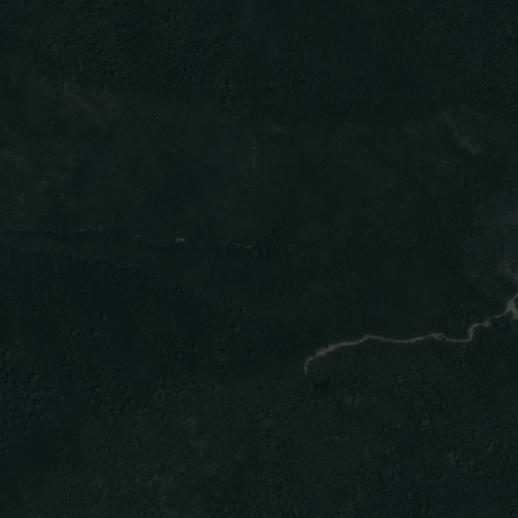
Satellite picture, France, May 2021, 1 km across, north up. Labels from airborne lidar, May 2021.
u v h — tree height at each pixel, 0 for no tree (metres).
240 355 6
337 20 6
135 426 9
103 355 5
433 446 9
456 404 10
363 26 5
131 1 7
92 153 5
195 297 7
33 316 6
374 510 8
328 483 7
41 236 6
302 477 7
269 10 6
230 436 7
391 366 6
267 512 11
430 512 11
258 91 6
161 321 6
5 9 9
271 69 6
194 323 6
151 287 6
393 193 6
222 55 7
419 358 8
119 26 15
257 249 12
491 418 9
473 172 9
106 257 7
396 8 6
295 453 9
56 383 6
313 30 6
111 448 11
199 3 6
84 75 6
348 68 6
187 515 8
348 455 6
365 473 8
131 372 5
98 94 8
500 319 7
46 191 6
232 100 6
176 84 7
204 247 7
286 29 6
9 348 9
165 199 6
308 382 10
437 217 5
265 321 6
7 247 9
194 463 5
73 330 13
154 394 8
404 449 8
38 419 5
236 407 6
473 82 8
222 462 7
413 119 8
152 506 12
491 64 8
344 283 6
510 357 8
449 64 6
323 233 6
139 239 7
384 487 9
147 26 6
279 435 11
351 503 15
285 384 6
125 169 6
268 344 6
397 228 6
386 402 7
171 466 8
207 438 9
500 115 6
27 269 6
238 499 9
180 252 5
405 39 6
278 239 6
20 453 6
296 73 7
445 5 7
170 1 8
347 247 6
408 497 14
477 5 7
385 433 8
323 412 7
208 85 8
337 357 5
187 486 9
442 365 6
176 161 6
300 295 6
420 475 9
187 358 6
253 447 6
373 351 6
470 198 7
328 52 7
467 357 6
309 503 7
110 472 8
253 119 7
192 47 9
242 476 8
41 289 5
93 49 6
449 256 6
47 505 8
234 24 6
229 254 6
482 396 9
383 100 6
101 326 5
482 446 8
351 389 9
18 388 13
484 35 8
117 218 7
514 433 8
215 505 11
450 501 8
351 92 6
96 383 6
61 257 6
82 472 6
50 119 10
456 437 9
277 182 6
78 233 7
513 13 8
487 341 8
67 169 9
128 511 8
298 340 5
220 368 7
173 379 6
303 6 6
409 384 7
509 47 9
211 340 6
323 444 7
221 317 5
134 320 6
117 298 6
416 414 8
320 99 7
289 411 8
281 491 13
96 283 6
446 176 6
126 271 6
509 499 11
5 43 6
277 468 7
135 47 7
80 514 9
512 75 8
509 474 8
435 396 6
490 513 8
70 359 6
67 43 9
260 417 11
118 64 7
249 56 6
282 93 8
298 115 6
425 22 7
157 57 8
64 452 9
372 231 6
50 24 7
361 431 6
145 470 7
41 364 7
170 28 8
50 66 8
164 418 11
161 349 7
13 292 6
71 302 8
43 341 6
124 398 6
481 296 6
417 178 6
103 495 12
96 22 9
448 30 7
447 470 7
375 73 6
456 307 6
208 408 7
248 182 9
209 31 7
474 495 7
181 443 7
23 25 8
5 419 6
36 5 6
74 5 8
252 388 6
